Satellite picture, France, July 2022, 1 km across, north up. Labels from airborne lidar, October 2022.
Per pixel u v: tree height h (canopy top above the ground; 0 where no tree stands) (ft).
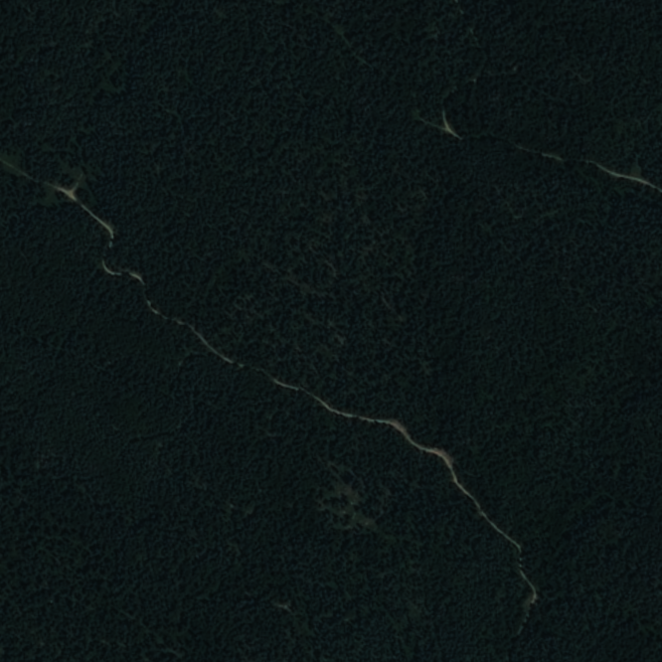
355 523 0
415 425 71
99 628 66
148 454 50
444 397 70
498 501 48
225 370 64
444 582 51
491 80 50
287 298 75
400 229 88
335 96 47
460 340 56
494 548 53
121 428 68
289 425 70
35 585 31
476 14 70
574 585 49
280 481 54
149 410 62
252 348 60
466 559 68
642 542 59
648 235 66
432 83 59
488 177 54
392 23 69
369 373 77
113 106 65
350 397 25
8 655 65
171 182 59
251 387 53
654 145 83
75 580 59
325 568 60
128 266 62
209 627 62
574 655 66
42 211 75
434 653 79
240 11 74
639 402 71
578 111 63
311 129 53
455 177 53
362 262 49
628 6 83
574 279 36
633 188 25
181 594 68
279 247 66
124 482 69
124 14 65
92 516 71
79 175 0
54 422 61
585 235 77
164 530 49
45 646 26
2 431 80
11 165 0
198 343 68
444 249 71
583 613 80
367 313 65
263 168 66
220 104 58
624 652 72
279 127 65
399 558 55
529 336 56
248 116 51
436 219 27
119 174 36
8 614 53
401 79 45
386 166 71
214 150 22
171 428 51
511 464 43
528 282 74
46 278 57
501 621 49
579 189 68
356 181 25
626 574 48
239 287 66
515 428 40
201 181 55
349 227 70
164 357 38
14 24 52
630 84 55
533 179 64
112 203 57
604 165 26
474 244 67
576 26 81
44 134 70
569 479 69
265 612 83
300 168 60
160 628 53
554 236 62
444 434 57
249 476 68
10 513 73
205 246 64
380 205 64
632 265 41
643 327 33
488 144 59
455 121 62
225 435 46
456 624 62
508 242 61
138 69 55
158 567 52
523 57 32
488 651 50
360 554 47
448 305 43
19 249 46
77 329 50
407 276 88
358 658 50
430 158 43
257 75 69
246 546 43
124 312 70
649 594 53
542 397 61
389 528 68
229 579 27
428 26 95
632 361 34
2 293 40
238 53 52
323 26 40
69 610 38
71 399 57
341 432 24
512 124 59
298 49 55
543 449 59
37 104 39
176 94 56
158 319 55
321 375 58
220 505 83
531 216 32
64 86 52
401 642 51
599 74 67
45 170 65
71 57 46
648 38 37
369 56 56
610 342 68
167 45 59
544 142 42
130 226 61
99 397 56
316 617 65
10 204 65
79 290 71
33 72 51
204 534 54
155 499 71
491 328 56
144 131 23
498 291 46
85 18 33
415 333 71
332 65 51
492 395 69
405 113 48
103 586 56
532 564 59
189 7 56
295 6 76
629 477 57
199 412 75
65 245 37
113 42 56
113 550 52
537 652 70
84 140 75
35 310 68
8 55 46
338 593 64
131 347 52
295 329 26
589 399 63
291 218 40
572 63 44
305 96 43
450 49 67
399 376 26
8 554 50
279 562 56
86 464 45
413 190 54
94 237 66
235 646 44
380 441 31
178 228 68
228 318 52
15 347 65
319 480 68
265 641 68
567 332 52
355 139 52
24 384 53
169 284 55
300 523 56
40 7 62
